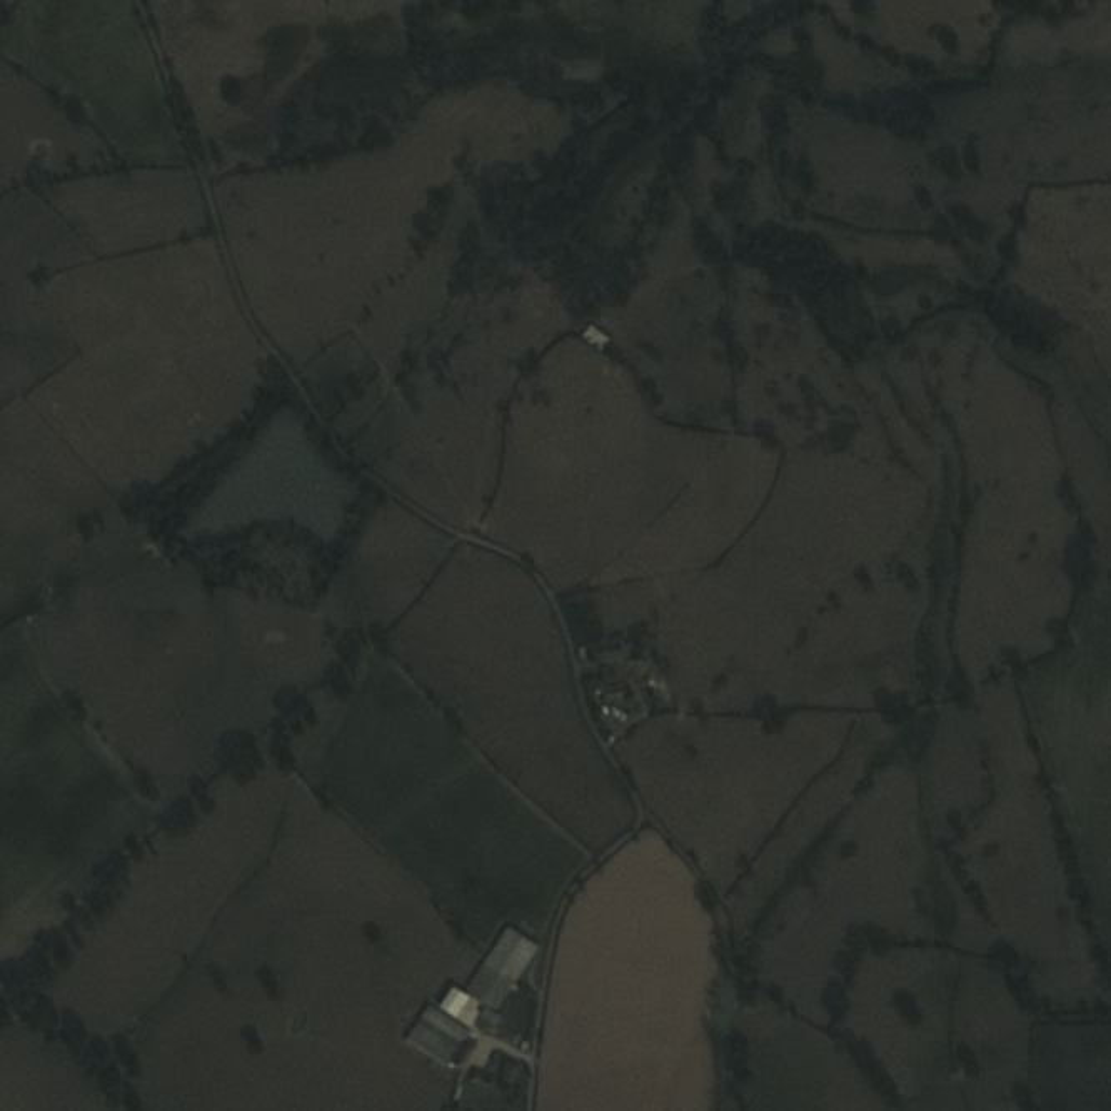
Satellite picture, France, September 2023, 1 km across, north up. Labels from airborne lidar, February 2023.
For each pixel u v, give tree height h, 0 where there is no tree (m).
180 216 0
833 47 0
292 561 0
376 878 0
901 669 0
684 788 0
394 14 0
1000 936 0
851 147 0
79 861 0
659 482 0
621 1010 0
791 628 0
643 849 0
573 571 0
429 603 0
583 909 0
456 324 0
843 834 0
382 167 0
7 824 0
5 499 0
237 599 0
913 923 0
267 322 0
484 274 0
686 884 0
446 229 0
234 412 0
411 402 18
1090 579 18
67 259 0
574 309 15
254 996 0
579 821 0
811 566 0
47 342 0
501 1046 0
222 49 0
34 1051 0
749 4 0
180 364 0
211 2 0
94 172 8
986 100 0
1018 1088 0
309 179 0
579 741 0
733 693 0
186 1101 0
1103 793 0
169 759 0
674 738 0
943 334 0
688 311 0
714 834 0
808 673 0
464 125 0
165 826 17
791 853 0
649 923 0
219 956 0
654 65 0
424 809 0
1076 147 0
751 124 0
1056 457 0
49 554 0
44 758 0
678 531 0
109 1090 18
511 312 0
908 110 22
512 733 0
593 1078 0
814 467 0
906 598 0
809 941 0
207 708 0
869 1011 0
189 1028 0
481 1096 0
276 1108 0
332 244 0
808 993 0
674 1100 0
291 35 0
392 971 0
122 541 0
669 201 19
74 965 0
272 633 0
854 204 0
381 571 0
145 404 0
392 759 0
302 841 0
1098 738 0
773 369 0
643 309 0
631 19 0
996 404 0
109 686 0
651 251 0
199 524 0
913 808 0
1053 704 0
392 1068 0
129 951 0
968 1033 0
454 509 0
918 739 0
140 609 0
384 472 0
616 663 0
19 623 0
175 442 0
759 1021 0
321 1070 0
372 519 0
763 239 10
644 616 0
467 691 0
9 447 0
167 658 0
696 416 0
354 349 0
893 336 16
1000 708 0
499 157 0
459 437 0
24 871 0
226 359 0
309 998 0
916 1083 0
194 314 0
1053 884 0
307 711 18
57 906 0
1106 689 0
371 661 0
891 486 0
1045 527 0
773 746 0
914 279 0
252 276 0
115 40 0
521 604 0
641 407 0
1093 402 0
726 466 0
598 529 0
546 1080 0
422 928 0
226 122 0
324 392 0
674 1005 0
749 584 0
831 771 0
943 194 0
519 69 19
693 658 0
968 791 0
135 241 0
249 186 0
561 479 0
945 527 0
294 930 0
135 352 0
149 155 0
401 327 0
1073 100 0
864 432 0
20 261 0
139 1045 0
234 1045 0
